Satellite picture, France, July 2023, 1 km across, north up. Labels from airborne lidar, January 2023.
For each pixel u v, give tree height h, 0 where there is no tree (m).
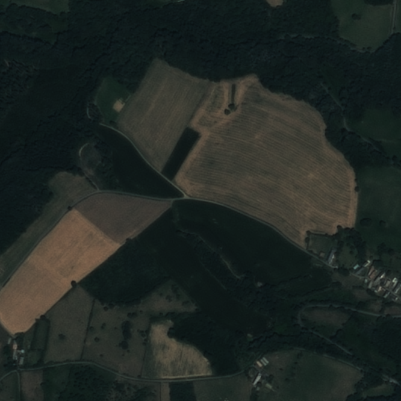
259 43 10
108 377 0
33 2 0
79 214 0
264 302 14
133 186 0
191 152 0
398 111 20
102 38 18
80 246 0
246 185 0
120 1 23
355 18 14
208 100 0
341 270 15
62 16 11
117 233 0
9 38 31
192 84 0
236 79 0
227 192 0
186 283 0
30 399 0
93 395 7
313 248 0
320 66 19
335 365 0
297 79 20
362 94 37
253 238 0
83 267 0
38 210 25
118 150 0
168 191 0
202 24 15
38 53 28
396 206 0
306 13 7
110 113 0
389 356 6
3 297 0
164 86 0
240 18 14
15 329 0
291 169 0
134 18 24
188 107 0
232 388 0
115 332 0
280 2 0
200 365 0
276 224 0
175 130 0
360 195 0
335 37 12
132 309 0
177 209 0
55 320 0
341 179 0
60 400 14
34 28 26
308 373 0
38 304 0
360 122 0
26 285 0
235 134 0
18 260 0
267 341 16
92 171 0
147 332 10
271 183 0
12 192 25
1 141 14
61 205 0
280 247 0
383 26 0
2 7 9
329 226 0
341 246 7
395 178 0
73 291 0
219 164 0
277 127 0
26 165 16
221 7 14
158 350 0
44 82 8
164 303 0
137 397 9
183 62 24
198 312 10
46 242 0
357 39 0
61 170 17
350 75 30
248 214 0
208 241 0
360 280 0
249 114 0
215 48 21
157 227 0
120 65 12
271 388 0
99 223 0
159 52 26
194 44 28
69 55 29
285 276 0
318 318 0
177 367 0
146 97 0
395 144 0
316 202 0
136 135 0
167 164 0
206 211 0
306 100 17
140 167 0
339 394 0
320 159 0
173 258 0
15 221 24
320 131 0
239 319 0
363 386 19
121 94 0
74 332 0
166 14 16
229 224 0
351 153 19
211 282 0
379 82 13
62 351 0
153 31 16
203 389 0
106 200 0
